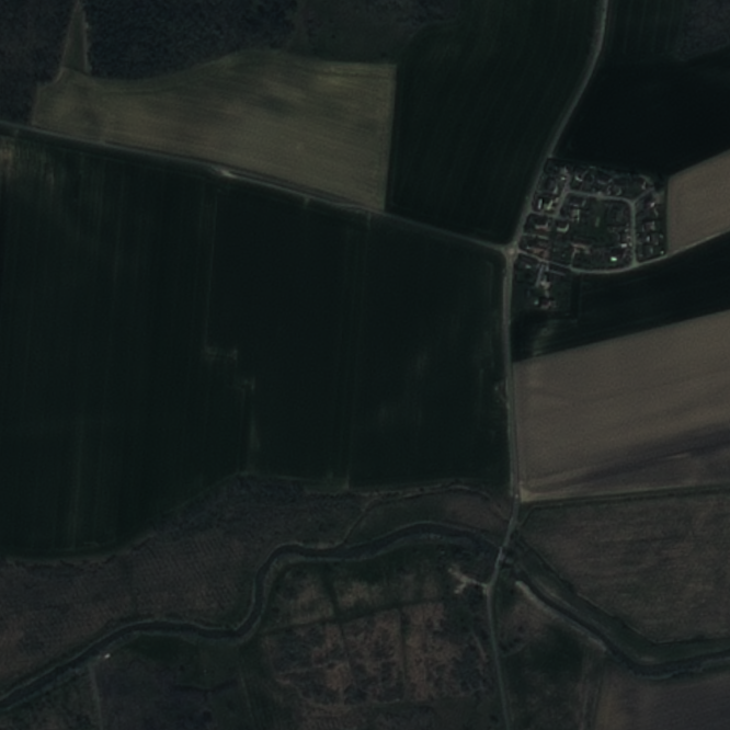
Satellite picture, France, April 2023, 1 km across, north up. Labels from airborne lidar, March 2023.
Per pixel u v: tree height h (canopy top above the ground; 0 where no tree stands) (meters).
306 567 0
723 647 0
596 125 0
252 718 0
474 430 0
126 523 0
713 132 0
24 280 0
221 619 0
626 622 0
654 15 0
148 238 0
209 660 0
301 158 0
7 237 0
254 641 0
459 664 6
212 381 0
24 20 22
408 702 0
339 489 0
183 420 0
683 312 0
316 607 0
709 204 0
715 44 10
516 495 0
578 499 0
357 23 0
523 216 0
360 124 0
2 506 0
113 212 0
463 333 0
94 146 0
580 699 0
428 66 0
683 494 0
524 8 0
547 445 0
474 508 0
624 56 0
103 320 0
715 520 0
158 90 0
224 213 0
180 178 0
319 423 0
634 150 0
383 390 0
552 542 0
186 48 13
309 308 0
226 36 14
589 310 0
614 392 0
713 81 0
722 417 0
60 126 0
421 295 0
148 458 0
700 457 0
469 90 0
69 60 0
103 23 12
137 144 0
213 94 0
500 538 0
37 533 0
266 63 0
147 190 0
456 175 0
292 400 0
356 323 0
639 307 0
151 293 0
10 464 0
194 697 0
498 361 0
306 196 0
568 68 0
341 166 0
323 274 0
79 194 0
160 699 0
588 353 0
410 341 0
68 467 0
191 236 0
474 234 0
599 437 0
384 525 0
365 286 0
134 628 0
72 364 0
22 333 0
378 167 0
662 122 0
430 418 0
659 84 0
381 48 0
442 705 0
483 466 0
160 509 0
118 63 11
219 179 0
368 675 0
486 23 0
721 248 0
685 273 0
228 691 0
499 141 0
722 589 0
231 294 0
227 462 0
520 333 0
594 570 0
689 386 0
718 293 0
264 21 17
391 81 0
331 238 0
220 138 0
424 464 0
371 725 0
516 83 0
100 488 0
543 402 0
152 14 13
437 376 0
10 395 0
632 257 0
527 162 0
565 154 0
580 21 0
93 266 0
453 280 0
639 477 0
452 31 0
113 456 0
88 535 0
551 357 0
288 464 0
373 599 0
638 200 0
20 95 14
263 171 0
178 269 0
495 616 0
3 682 0
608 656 0
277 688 0
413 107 0
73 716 15
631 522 0
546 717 0
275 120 0
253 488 17
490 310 0
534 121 0
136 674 0
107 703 0
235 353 0
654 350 0
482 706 22
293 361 0
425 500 0
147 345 0
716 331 0
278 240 0
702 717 0
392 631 0
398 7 11
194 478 0
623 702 0
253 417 0
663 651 0
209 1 12
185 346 0
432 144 0
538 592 0
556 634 0
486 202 0
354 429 0
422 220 0
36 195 0
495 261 0
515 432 0
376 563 0
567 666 0
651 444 0
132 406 0
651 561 0
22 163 0
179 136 0
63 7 16
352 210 0
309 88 0
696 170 0
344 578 0
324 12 0
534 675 0
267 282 0
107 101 0
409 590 0
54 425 0
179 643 0
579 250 0
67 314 0
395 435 0
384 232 0
